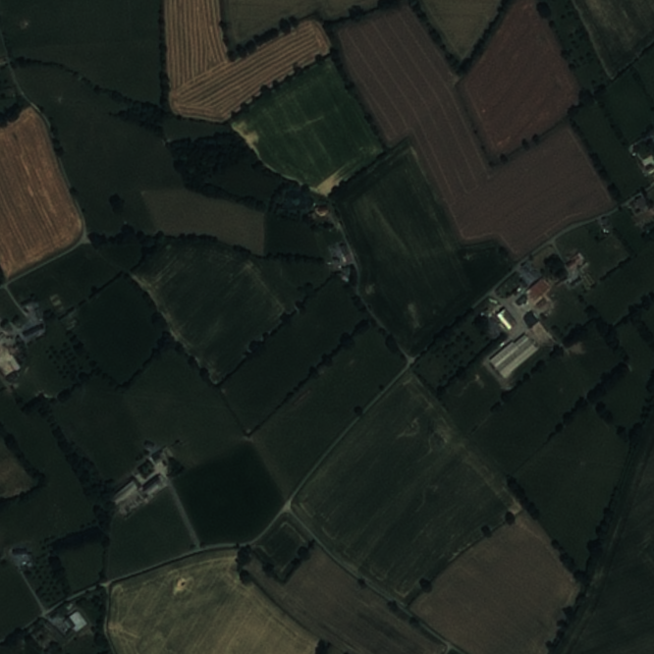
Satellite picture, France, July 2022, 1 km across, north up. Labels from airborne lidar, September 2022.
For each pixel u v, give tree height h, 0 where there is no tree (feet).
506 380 0
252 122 0
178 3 0
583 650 0
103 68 0
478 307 0
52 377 0
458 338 19
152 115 51
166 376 0
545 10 62
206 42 0
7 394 0
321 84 0
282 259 35
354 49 0
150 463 31
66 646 0
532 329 0
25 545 0
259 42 49
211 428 0
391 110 0
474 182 0
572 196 0
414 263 0
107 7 0
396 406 0
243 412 0
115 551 0
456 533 0
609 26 0
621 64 0
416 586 0
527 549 0
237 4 0
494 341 19
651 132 31
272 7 0
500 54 0
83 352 48
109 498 52
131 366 0
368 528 0
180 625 0
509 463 0
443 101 0
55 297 0
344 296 0
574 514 0
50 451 0
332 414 0
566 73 0
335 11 0
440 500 0
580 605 20
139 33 0
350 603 0
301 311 59
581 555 0
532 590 0
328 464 0
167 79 47
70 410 0
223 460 0
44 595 19
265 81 0
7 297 0
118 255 0
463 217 0
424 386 18
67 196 0
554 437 28
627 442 35
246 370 0
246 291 0
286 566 0
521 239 0
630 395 0
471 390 0
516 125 0
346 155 0
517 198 0
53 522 0
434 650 0
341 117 0
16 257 0
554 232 0
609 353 0
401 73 0
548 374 0
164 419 0
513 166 0
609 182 23
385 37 0
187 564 0
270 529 0
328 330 0
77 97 0
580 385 0
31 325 0
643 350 0
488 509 0
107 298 0
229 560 0
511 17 0
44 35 0
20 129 0
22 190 0
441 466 0
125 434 0
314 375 46
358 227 0
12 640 50
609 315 0
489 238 0
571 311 0
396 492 0
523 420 0
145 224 0
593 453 0
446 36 0
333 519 0
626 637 0
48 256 0
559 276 29
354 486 0
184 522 0
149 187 0
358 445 0
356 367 0
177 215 0
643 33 0
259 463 0
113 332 0
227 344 0
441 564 0
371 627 0
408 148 0
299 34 0
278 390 0
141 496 0
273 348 0
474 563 0
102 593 25
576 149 0
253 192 0
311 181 0
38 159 0
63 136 0
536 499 0
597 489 0
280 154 0
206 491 0
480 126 0
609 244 0
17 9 0
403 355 33
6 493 0
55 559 48
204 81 0
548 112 0
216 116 0
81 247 0
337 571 0
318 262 25
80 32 0
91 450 0
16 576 0
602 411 66
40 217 0
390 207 0
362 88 0
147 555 0
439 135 0
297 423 0
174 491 0
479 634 0
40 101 0
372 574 0
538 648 0
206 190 41
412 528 0
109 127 0
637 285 0
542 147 0
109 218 0
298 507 0
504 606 0
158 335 0
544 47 0
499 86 0
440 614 0
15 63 20
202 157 60
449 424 0
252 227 0
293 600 0
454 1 0
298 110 0
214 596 0
